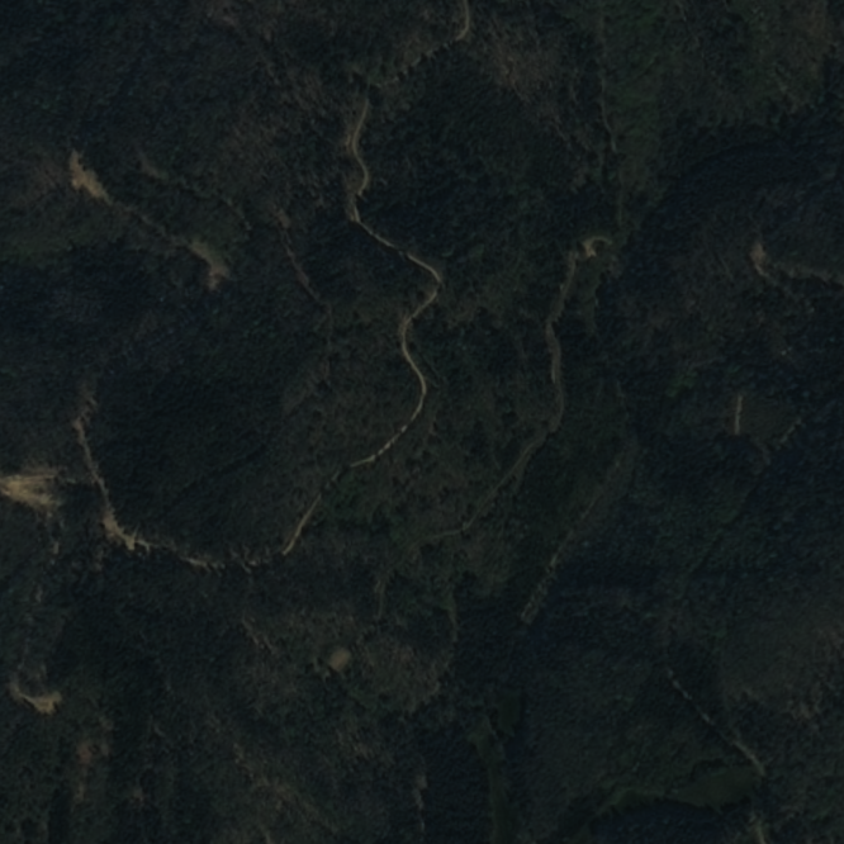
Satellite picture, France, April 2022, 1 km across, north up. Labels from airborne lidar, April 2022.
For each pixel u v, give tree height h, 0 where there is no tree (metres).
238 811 21
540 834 21
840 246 29
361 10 15
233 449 26
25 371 22
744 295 24
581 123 29
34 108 26
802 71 7
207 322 24
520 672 32
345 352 25
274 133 9
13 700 21
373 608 20
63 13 29
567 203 33
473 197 29
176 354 24
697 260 27
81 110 26
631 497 14
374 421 13
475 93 20
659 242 32
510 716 0
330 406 14
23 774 11
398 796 25
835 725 21
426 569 8
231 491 21
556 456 16
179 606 27
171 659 27
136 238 27
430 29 11
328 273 26
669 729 22
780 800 20
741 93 21
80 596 24
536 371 16
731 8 22
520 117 17
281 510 21
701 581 26
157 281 31
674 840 24
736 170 32
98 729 20
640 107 17
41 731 16
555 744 22
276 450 27
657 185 18
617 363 28
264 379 21
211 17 0
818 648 24
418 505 14
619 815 0
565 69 25
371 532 18
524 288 12
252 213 20
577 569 21
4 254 25
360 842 27
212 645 29
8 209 20
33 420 22
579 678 20
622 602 25
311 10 16
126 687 21
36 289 30
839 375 18
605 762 16
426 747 27
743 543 18
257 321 22
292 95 25
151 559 29
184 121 24
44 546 23
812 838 19
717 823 10
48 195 21
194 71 24
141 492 29
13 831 16
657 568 13
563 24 23
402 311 9
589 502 8
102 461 30
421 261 0
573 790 14
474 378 16
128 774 14
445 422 20
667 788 15
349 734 21
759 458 24
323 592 19
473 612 22
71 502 21
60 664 16
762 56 16
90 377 26
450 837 27
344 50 20
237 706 26
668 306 26
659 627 24
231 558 22
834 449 20
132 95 31
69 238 22
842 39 30
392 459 14
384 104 31
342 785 23
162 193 17
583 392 15
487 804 23
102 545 21
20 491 0
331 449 18
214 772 21
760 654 22
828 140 27
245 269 15
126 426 28
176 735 20
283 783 24
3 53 34
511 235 22
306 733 23
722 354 28
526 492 13
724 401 24
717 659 15
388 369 17
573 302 11
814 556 19
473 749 25
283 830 23
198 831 18
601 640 18
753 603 23
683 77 24
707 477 17
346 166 25
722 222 26
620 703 16
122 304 29
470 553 11
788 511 20
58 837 19
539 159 17
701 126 31
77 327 30
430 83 17
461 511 18
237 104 21
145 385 29
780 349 28
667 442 16
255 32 24
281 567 23
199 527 23
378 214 20
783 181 36
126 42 30
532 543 17
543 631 20
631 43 17
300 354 20
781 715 27
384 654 25
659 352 29
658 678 21
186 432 23
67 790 18
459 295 16
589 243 0
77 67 29
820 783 19
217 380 26
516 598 22
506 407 8
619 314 25
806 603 17
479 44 18
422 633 22
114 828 20
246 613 27
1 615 22
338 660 0
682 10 17
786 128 22
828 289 24
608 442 14
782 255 26
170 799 16
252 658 27
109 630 22
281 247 21
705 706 18
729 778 0
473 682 31
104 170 23
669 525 19
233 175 20
